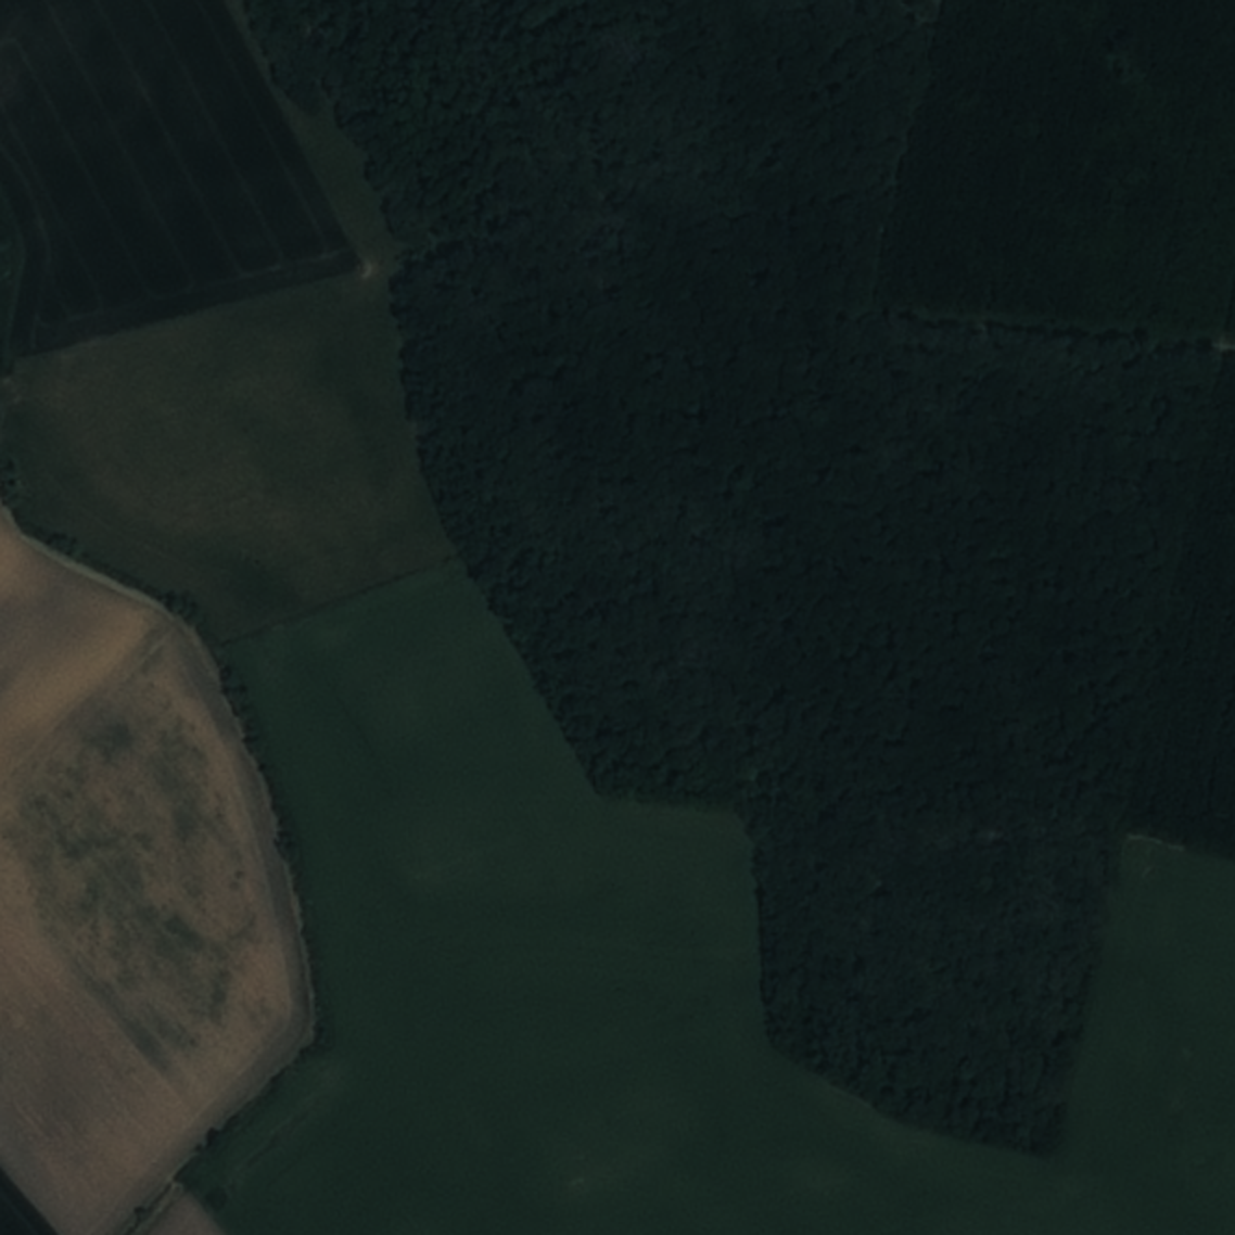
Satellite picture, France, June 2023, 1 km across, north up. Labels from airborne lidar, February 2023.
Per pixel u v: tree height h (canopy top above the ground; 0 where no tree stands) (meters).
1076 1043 7
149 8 0
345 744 0
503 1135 0
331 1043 0
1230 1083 0
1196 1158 0
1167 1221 0
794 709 27
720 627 24
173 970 0
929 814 29
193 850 0
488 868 0
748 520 25
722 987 0
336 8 28
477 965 0
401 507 0
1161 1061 0
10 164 0
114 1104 0
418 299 25
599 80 29
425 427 19
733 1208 0
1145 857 0
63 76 0
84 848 0
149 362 0
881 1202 0
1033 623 29
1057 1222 0
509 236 30
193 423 0
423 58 30
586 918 0
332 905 0
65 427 0
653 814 0
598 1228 0
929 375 31
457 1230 0
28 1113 0
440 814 0
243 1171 0
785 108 28
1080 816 28
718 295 33
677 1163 0
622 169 28
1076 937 30
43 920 0
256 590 0
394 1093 0
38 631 0
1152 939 0
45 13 0
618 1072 0
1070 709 31
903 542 31
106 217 0
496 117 32
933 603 29
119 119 0
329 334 0
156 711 0
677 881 0
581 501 26
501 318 28
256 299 0
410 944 0
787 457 31
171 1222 0
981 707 30
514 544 23
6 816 0
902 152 27
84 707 0
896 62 30
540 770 0
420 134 29
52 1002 0
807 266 30
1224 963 0
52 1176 0
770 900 19
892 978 24
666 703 25
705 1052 0
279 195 0
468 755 0
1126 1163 0
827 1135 0
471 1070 0
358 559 0
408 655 0
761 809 20
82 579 0
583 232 30
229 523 0
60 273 0
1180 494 27
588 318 30
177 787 0
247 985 0
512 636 20
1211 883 0
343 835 0
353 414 0
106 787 0
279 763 0
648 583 25
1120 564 30
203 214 0
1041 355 28
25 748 0
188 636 0
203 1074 0
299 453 0
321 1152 0
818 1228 0
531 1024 0
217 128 0
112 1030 0
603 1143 0
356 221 0
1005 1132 22
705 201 29
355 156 0
